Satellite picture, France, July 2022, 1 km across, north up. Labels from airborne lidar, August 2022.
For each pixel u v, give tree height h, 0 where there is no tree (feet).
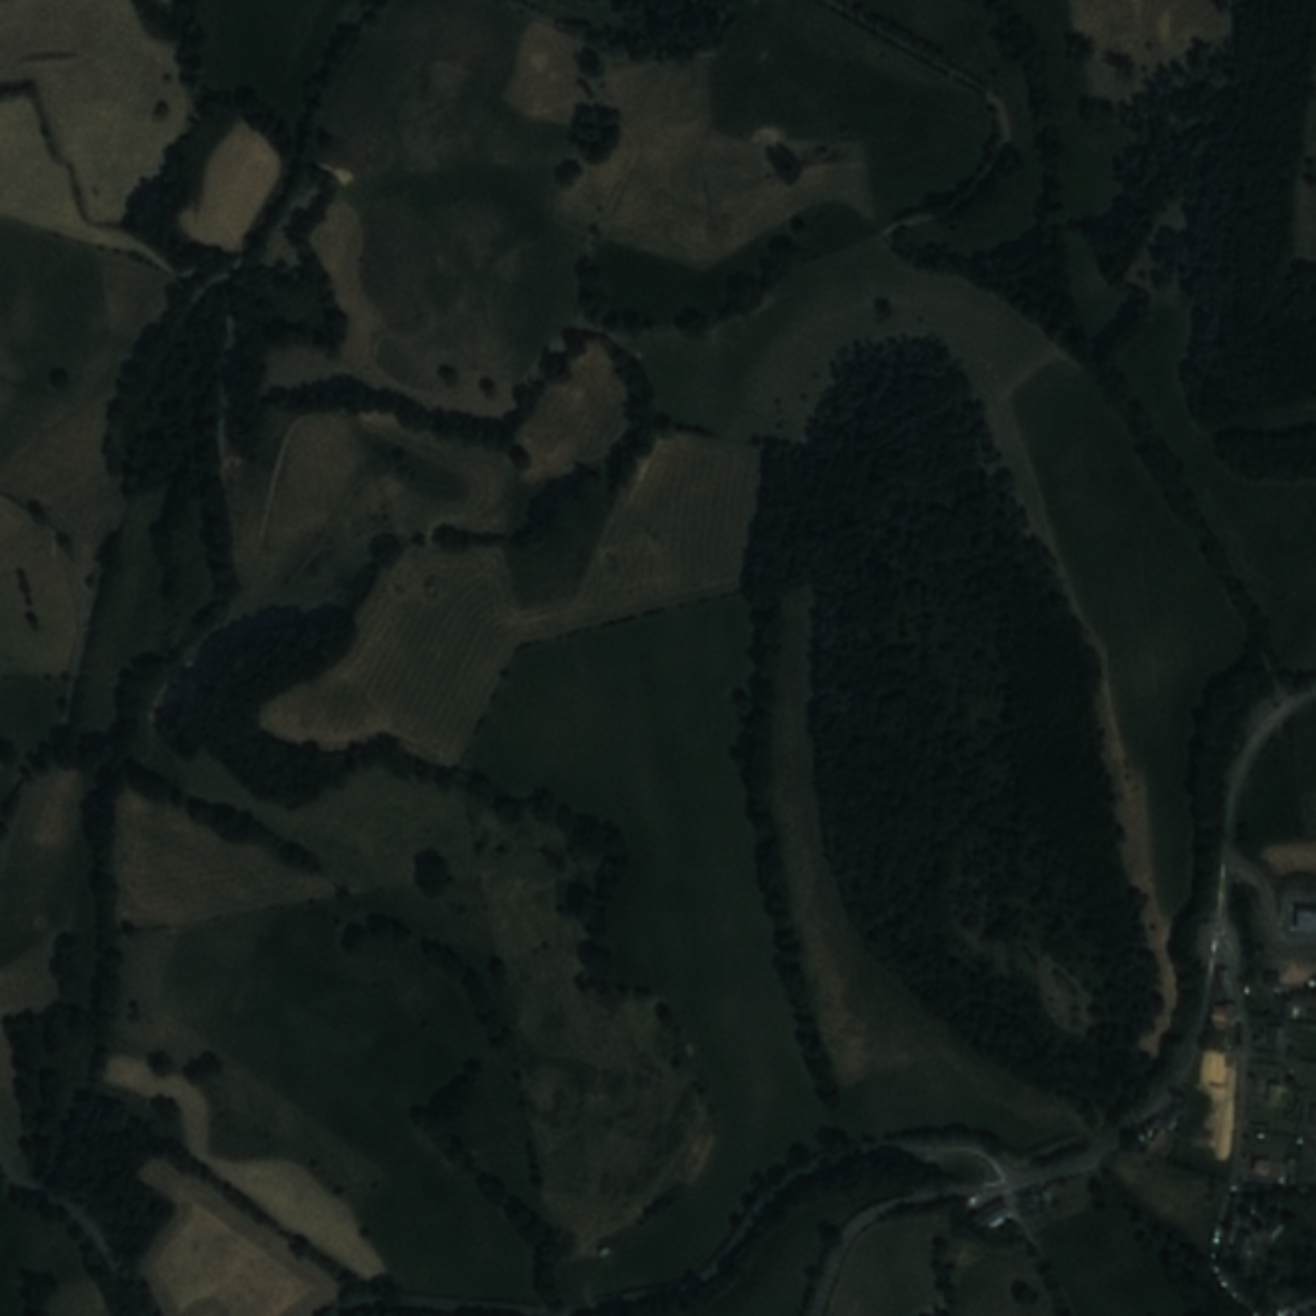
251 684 89
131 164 0
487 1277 0
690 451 0
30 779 49
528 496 0
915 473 41
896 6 0
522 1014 0
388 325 0
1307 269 58
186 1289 0
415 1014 0
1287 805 0
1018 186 0
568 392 0
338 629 76
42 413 0
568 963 0
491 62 0
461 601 0
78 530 0
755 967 0
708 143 0
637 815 0
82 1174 50
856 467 61
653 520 0
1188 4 0
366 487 0
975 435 32
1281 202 54
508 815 73
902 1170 72
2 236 0
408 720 0
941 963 35
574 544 0
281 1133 0
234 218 0
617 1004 0
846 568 83
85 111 0
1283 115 56
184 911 0
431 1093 0
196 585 0
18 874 0
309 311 0
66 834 0
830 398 20
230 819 64
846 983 0
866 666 56
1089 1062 51
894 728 37
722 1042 0
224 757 66
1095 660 33
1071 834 46
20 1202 59
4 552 0
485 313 0
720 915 0
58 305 0
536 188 0
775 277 47
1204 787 73
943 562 30
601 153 75
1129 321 60
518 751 0
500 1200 54
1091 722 43
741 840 0
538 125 0
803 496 57
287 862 23
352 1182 0
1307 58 70
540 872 0
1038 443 0
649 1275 0
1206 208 77
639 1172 0
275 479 0
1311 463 43
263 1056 0
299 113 0
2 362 0
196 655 0
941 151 0
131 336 0
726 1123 0
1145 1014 68
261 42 0
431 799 0
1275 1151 0
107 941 31
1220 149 61
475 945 0
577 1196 0
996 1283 0
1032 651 44
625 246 0
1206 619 0
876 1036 0
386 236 0
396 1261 0
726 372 0
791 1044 0
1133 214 85
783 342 0
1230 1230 36
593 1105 0
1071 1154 35
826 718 49
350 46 52
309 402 53
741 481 0
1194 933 40
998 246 0
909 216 26
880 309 44
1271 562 0
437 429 67
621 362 56
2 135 0
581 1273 0
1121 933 48
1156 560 0
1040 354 0
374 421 0
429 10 0
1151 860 0
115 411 43
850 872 37
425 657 0
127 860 0
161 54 0
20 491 0
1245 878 0
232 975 0
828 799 51
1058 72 0
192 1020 0
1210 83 45
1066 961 27
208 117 54
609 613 0
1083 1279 0
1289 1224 32
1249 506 0
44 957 0
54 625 0
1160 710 0
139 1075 0
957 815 24
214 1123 0
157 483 49
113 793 60
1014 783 21
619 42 55
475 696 0
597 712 0
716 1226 0
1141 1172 0
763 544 57
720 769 0
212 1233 0
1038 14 0
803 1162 65
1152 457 75
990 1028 39
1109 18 0
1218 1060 0
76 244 0
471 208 0
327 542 0
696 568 0
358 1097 0
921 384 74
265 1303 0
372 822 0
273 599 0
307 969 0
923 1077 0
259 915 0
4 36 0
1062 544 0
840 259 0
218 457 62
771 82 0
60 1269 0
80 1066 0
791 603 0
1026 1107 0
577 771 0
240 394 85
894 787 57
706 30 70
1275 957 0
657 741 0
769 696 62
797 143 0
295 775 72
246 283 21
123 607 0
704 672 0
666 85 0
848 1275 0
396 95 0
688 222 0
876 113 0
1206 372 39
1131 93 0
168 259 45
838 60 0
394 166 0
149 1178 0
